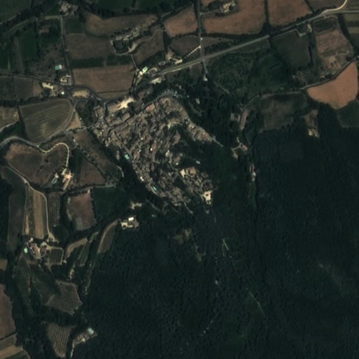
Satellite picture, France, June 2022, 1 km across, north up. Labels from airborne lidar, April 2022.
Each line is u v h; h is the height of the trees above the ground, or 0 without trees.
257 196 17
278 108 0
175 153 6
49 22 6
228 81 9
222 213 16
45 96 12
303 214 7
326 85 0
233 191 10
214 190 7
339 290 6
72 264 9
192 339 7
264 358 13
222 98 20
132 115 8
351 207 8
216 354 7
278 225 19
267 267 13
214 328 22
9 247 0
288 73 19
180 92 15
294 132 11
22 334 19
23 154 0
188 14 0
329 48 0
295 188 7
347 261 8
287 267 6
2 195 16
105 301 7
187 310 20
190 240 9
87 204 0
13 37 9
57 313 19
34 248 0
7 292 14
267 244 16
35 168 0
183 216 10
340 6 0
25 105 14
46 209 0
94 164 6
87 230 16
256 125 13
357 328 12
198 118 19
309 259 6
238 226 14
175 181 9
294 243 8
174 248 17
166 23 0
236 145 18
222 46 8
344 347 8
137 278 11
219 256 14
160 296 8
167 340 14
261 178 13
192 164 11
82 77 0
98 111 0
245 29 0
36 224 0
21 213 0
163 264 7
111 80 0
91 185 8
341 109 0
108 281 10
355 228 9
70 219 0
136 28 0
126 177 16
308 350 10
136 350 12
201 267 14
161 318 16
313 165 6
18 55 0
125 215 12
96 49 0
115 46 14
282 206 8
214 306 20
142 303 10
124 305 9
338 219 12
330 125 15
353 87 0
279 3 0
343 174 8
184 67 0
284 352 12
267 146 18
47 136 0
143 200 17
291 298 8
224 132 12
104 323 9
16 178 0
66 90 0
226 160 9
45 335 9
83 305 12
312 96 0
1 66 0
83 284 7
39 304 11
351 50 0
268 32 15
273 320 15
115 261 12
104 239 0
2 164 15
